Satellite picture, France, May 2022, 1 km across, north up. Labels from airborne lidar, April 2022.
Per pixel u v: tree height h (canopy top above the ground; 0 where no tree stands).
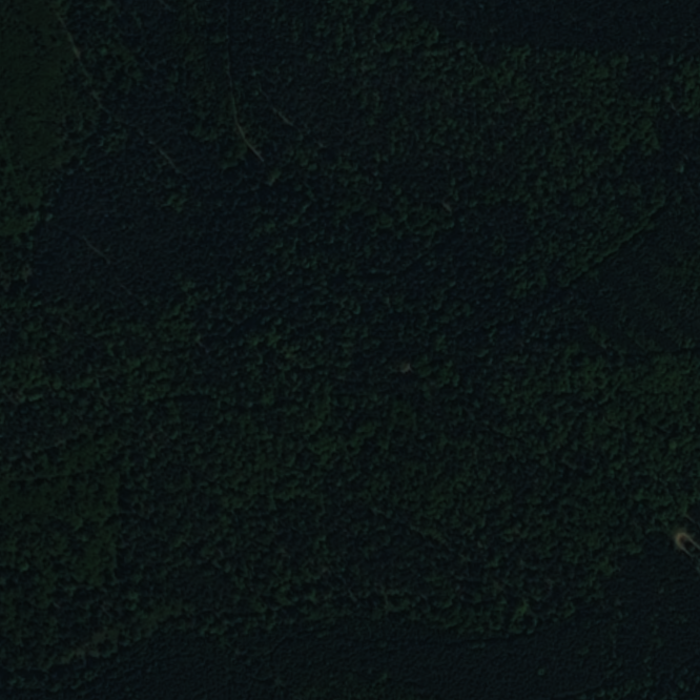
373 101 22
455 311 25
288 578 13
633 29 19
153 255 25
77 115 11
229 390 27
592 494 24
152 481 28
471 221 28
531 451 28
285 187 17
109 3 29
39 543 16
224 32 20
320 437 30
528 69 24
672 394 19
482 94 24
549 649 18
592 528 30
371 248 29
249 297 30
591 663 20
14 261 22
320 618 16
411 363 22
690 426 23
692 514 16
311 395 26
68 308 24
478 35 21
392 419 24
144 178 25
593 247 24
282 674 16
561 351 22
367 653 20
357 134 26
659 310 16
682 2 15
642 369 19
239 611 30
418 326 21
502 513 28
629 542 29
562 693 20
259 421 26
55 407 24
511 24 20
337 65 23
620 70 20
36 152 12
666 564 28
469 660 21
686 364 18
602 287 19
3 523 19
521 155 26
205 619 24
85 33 25
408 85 23
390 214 39
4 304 21
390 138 22
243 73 22
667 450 25
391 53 25
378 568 30
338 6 24
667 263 18
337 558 19
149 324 25
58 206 27
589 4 19
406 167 25
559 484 33
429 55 11
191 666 15
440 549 26
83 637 25
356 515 31
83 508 20
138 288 23
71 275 23
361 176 31
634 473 25
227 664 16
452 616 27
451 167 28
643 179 26
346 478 28
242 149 10
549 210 28
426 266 29
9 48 12
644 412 19
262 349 28
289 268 26
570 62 22
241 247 28
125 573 32
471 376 23
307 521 32
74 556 13
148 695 16
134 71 15
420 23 19
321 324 24
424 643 19
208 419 26
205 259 26
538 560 28
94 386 25
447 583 21
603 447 21
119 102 26
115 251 29
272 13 23
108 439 21
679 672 14
